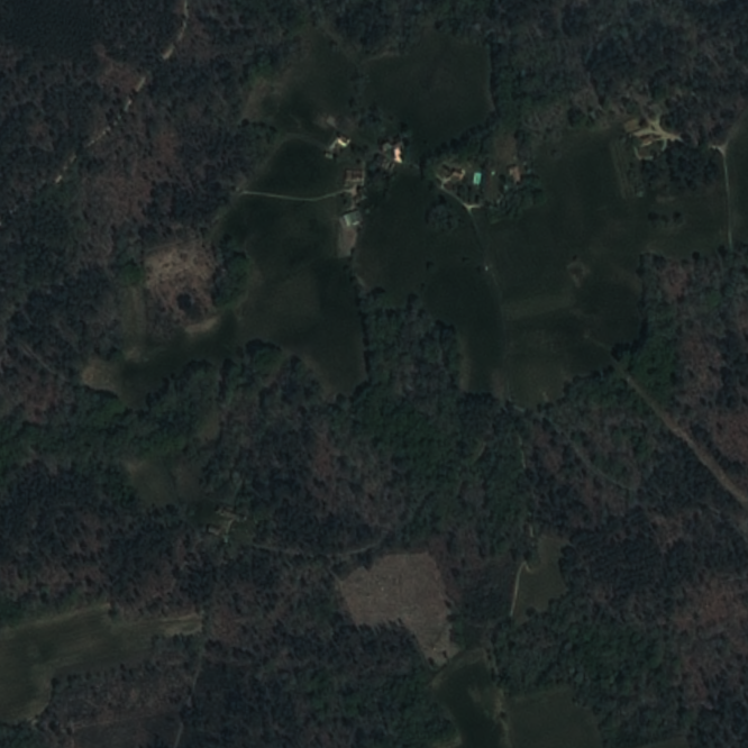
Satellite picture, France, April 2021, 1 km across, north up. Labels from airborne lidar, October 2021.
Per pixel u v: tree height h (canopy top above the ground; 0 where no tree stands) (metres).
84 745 0
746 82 23
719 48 21
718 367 8
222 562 10
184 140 8
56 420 26
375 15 18
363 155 11
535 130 14
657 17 13
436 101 0
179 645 17
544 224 0
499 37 13
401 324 24
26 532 23
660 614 15
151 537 21
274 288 0
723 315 19
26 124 19
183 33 11
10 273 25
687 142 18
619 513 9
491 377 0
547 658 14
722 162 0
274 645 9
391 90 0
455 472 15
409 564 0
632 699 6
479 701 0
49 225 29
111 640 0
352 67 0
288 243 0
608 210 0
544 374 0
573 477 15
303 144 0
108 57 6
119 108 17
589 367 0
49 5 16
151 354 0
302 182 0
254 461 19
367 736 15
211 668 13
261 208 0
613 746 7
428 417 18
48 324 22
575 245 0
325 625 14
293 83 0
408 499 8
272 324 0
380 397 21
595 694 11
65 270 13
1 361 11
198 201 14
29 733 15
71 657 0
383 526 14
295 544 17
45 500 22
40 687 0
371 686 15
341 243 0
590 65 17
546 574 0
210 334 0
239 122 17
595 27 16
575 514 24
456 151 15
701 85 24
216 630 15
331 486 11
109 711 8
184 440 27
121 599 16
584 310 0
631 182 7
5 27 17
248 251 0
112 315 18
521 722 0
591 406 22
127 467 16
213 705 15
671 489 19
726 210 0
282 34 21
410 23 12
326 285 0
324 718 14
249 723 23
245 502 13
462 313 0
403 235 0
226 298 25
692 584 16
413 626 0
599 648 19
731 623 14
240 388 14
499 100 18
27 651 0
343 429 16
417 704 15
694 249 0
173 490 0
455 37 17
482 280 0
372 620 0
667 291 10
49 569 9
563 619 13
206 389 23
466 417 24
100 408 27
